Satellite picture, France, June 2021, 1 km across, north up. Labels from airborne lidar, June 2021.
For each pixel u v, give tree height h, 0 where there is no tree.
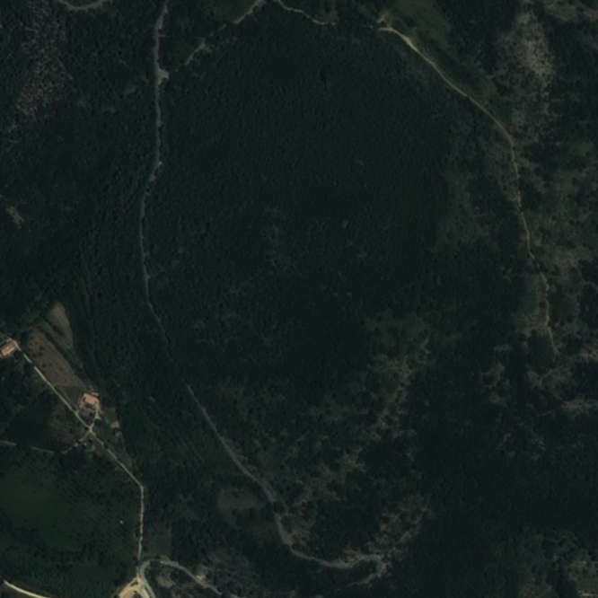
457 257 13
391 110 11
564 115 8
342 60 11
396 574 7
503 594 10
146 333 11
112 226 9
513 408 9
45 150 13
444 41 0
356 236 10
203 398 11
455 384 8
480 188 11
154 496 16
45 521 0
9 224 11
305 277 7
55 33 11
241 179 7
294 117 12
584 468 9
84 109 11
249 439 6
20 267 15
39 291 10
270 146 12
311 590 10
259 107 15
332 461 10
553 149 9
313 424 10
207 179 10
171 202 9
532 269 9
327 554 8
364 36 9
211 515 11
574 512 16
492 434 9
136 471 8
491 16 8
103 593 7
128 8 8
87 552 8
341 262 9
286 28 12
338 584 16
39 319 7
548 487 12
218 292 6
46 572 8
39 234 13
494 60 7
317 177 8
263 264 8
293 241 6
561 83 9
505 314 12
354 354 15
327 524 8
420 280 9
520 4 8
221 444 7
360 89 9
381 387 10
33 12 10
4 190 13
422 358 9
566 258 0
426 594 12
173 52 7
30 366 18
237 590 6
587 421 8
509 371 11
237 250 11
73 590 8
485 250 11
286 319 11
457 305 8
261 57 13
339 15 9
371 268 11
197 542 16
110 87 13
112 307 10
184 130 12
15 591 0
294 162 7
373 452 11
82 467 7
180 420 6
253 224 9
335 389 14
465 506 8
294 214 7
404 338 6
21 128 6
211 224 14
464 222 8
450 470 19
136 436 6
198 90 11
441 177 9
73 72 14
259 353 9
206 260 11
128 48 8
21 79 8
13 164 12
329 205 9
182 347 12
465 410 9
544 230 11
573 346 9
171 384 11
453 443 17
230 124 10
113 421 0
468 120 10
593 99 9
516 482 10
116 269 13
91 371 8
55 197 11
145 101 9
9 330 15
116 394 9
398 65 13
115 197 11
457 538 14
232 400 7
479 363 10
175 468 7
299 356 13
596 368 6
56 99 11
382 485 9
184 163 10
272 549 10
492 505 16
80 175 17
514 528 12
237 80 8
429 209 9
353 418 8
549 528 17
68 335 0
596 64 7
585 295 8
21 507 0
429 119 12
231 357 11
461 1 9
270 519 11
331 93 10
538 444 7
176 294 10
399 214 9
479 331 13
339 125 10
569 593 15
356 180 8
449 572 11
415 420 10
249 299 7
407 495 10
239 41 8
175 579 9
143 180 8
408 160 7
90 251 7
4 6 13
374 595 8
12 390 25
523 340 12
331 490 8
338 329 12
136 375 8
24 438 10
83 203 13
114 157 15
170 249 9
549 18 11
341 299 10
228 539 8
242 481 11
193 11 14
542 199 6
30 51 10
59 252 22
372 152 9
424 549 11
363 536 7
